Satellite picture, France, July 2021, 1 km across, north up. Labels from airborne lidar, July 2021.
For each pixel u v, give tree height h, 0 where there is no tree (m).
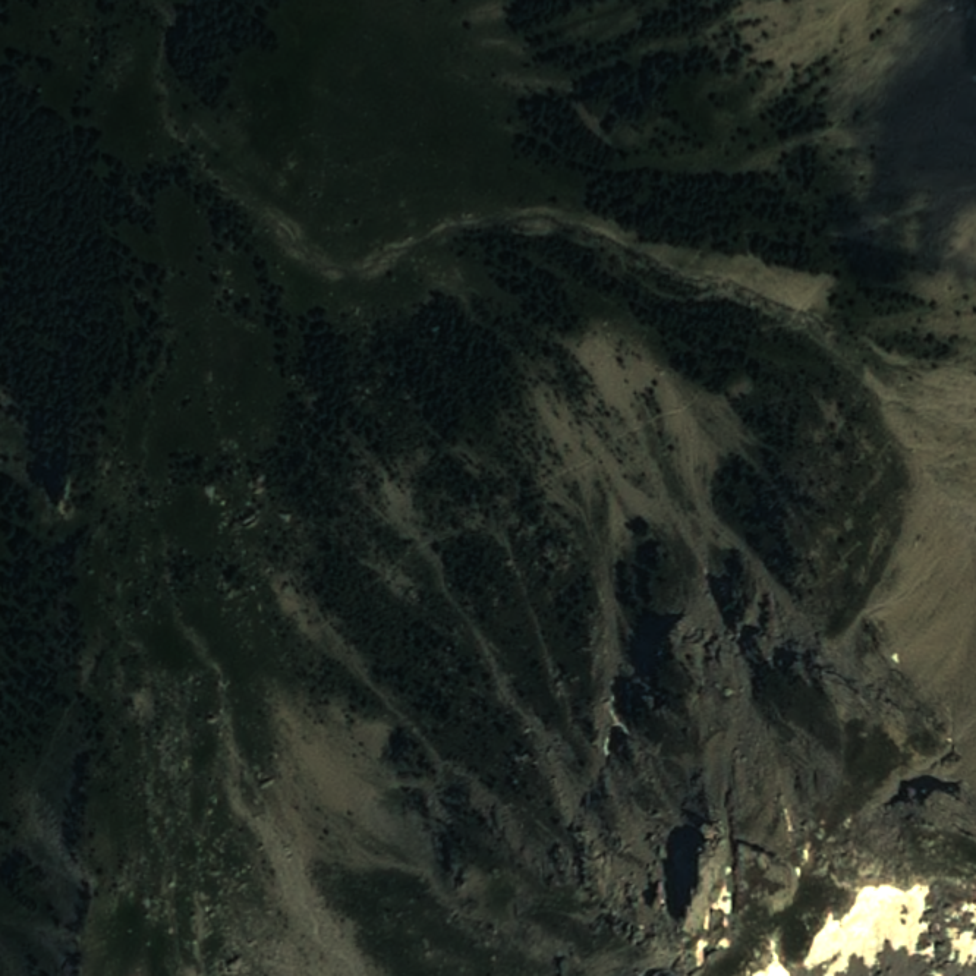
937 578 0
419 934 0
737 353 16
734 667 0
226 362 0
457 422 18
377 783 0
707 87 0
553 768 0
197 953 0
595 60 13
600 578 0
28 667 9
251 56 0
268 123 0
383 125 0
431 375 18
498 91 0
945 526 0
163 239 0
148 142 0
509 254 12
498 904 0
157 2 0
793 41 0
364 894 0
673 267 0
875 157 6
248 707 0
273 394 0
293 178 0
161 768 0
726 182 18
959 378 0
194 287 0
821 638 0
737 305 10
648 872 0
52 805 0
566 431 0
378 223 0
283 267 0
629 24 0
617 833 0
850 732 0
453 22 0
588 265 14
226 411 0
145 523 0
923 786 0
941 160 0
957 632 0
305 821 0
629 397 0
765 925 0
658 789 0
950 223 0
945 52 0
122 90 0
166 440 0
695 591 0
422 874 0
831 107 0
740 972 0
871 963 0
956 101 0
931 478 0
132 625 0
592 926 0
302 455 7
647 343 0
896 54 0
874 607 0
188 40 27
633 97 9
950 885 0
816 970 0
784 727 0
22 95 25
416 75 0
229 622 0
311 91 0
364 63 0
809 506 7
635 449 0
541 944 0
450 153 0
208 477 6
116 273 15
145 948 0
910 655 0
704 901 0
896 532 0
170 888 0
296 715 0
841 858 0
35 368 25
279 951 0
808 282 0
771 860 0
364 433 7
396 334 6
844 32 0
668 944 0
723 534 0
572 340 0
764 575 0
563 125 22
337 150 0
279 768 0
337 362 18
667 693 10
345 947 0
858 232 0
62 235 29
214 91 20
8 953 0
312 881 0
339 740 0
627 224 13
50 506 0
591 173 10
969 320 0
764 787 0
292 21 0
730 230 12
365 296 0
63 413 11
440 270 0
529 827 0
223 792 0
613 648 0
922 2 0
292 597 0
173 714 0
